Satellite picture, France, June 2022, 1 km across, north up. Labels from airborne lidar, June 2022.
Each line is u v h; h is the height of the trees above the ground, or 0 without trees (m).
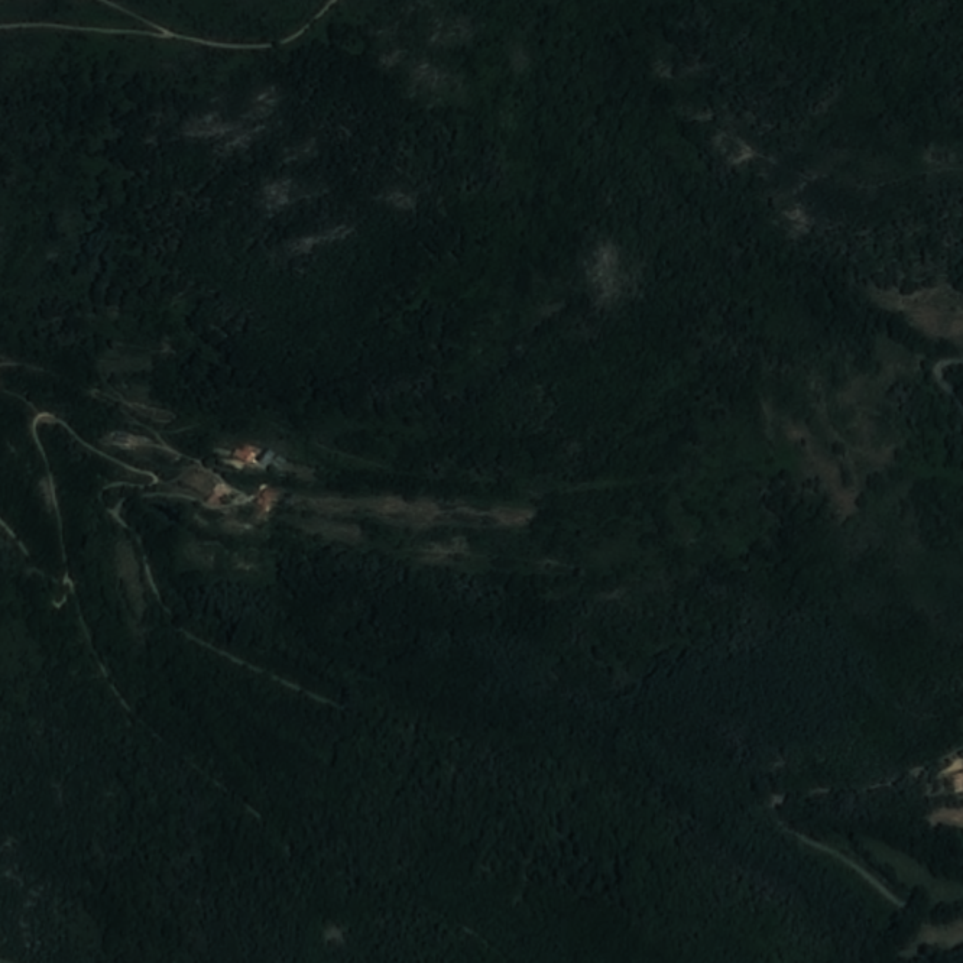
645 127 19
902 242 12
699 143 17
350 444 8
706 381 9
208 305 19
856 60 12
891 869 18
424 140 13
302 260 9
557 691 13
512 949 10
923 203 8
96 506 9
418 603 23
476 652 30
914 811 12
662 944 19
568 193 11
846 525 7
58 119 8
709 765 25
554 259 6
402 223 16
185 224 15
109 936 10
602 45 13
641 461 19
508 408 11
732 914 13
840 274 17
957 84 8
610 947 11
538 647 24
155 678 12
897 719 14
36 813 10
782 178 9
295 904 15
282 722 11
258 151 12
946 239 18
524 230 6
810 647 24
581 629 12
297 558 12
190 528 7
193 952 8
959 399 15
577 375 14
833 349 11
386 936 13
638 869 22
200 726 9
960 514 9
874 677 23
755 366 13
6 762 9
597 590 10
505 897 10
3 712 9
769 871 26
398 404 14
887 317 19
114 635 13
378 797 21
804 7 7
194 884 12
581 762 23
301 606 7
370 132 15
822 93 14
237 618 28
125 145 18
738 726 20
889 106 9
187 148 16
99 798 8
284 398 23
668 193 17
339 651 24
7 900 10
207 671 13
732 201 21
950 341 8
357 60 16
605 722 29
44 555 7
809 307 8
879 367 14
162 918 7
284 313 20
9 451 8
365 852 17
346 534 0
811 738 24
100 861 16
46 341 9
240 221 8
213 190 19
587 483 10
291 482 10
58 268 14
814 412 7
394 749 14
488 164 10
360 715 24
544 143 14
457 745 19
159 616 8
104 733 10
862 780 13
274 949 6
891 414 7
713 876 14
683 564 6
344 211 7
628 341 16
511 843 21
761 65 13
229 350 25
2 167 13
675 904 16
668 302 23
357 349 23
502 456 12
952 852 27
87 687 12
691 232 22
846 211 10
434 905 10
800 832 26
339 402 11
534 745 20
